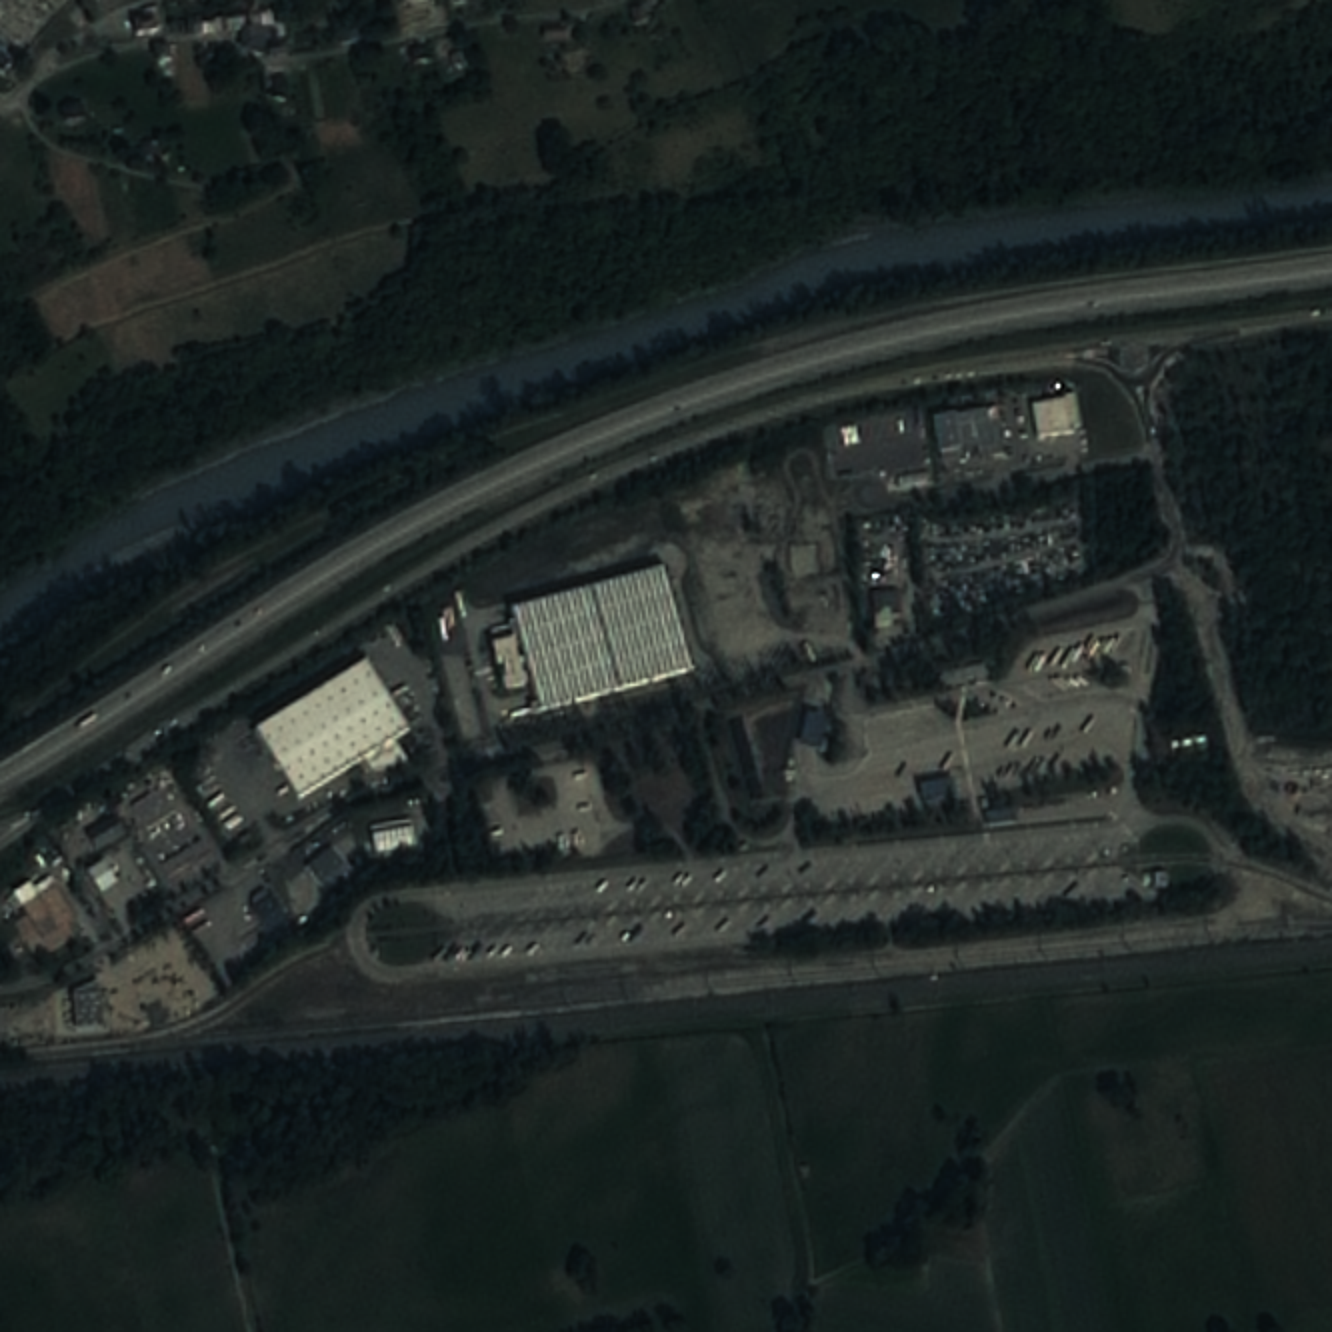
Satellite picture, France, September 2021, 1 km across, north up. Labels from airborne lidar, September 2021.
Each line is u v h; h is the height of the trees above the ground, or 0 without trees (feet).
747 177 23
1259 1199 0
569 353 0
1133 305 0
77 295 0
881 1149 0
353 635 28
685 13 0
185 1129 69
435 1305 0
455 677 0
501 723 0
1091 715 0
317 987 0
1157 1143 0
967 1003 0
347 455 0
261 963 36
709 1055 0
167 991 0
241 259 0
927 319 0
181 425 99
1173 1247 0
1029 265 39
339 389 69
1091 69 103
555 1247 0
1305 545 30
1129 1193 0
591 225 73
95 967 0
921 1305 0
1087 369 0
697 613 0
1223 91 52
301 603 0
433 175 32
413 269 43
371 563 0
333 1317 0
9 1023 0
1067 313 0
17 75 39
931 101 43
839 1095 0
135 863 0
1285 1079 0
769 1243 0
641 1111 0
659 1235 0
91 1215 0
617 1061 0
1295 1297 0
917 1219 56
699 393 0
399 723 0
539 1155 0
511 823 0
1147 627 0
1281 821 0
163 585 50
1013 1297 0
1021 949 0
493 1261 0
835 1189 0
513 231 75
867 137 78
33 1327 0
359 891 43
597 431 0
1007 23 109
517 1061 53
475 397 0
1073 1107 0
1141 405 0
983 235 0
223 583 0
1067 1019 0
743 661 0
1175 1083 0
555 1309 0
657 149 0
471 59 48
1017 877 0
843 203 73
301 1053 0
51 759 0
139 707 0
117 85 0
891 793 0
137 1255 0
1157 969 0
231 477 0
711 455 26
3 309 47
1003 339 0
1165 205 0
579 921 0
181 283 0
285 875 0
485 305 59
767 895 0
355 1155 51
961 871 0
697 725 55
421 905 0
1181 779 39
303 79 0
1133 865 0
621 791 62
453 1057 48
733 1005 0
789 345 0
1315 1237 0
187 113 0
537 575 0
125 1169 59
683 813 0
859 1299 0
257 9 0
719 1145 0
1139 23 0
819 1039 0
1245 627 42
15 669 60
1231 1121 0
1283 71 22
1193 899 39
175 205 0
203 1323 0
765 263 57
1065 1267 0
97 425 55
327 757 0
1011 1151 0
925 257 0
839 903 0
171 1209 0
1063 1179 0
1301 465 46
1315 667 43
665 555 0
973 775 0
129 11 0
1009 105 52
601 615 0
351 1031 0
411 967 0
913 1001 0
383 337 31
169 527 0
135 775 24
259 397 36
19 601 0
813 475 0
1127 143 71
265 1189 60
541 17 0
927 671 46
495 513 0
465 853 36
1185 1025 0
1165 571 0
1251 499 47
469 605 0
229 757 0
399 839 0
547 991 0
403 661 0
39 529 85
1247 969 0
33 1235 0
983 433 0
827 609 0
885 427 0
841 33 0
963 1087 0
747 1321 0
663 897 0
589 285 65
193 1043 0
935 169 92
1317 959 0
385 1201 0
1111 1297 0
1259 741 0
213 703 0
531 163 0
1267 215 0
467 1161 0
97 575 0
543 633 0
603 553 0
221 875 0
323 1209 0
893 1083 0
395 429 0
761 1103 0
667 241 61
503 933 0
